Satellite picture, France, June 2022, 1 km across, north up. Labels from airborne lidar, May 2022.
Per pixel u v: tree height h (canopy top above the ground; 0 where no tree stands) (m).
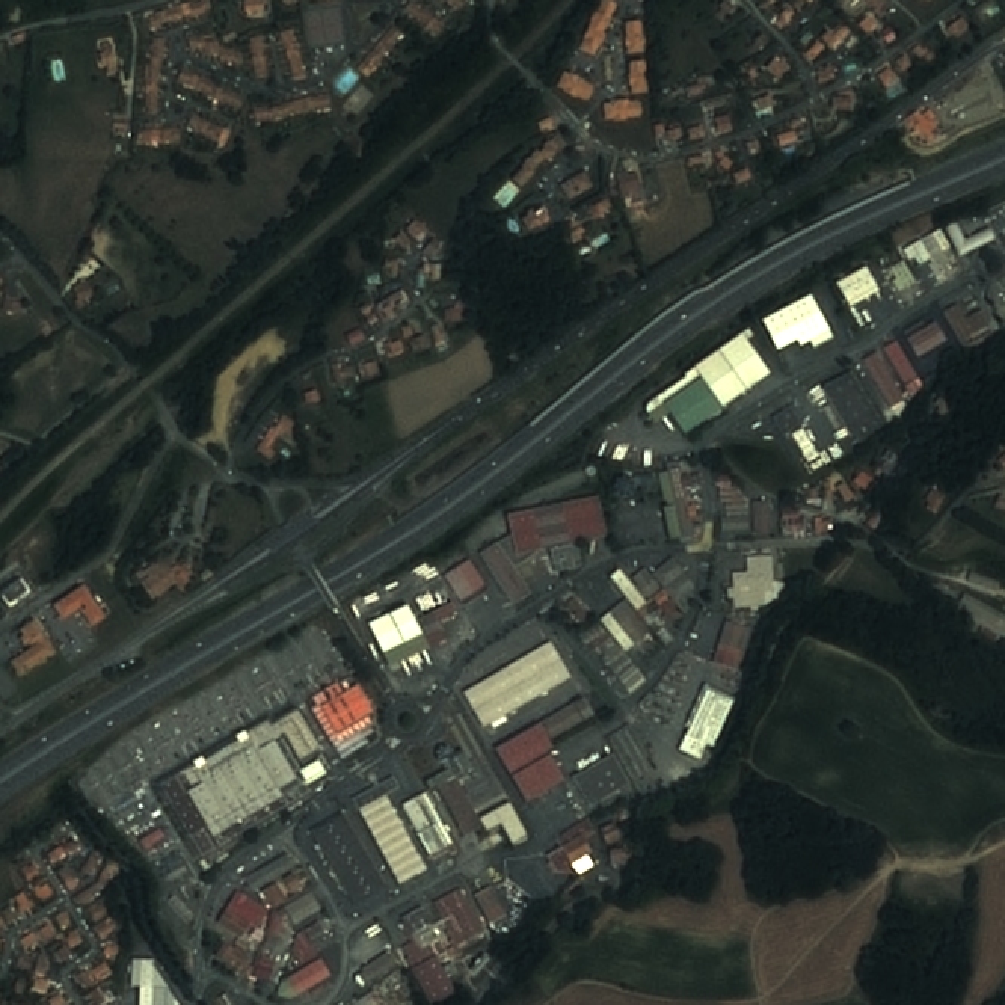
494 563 0
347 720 0
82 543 9
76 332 0
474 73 0
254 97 6
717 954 0
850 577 0
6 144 17
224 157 8
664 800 20
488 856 0
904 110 0
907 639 10
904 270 0
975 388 20
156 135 0
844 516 0
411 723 12
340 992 0
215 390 0
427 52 7
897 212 0
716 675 0
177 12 0
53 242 0
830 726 0
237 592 0
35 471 0
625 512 0
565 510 0
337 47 0
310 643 0
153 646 0
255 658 0
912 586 17
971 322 0
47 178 0
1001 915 0
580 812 0
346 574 0
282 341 0
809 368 0
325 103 0
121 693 0
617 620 0
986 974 0
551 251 16
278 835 0
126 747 0
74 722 0
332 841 0
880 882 0
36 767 0
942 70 7
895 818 0
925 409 16
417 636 0
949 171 0
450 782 0
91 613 0
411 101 14
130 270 0
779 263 0
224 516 0
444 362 0
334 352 0
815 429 0
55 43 0
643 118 0
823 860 25
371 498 0
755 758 0
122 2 0
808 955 0
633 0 0
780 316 0
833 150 8
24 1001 7
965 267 0
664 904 0
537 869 0
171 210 0
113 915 13
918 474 15
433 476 0
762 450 0
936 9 0
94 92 0
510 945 13
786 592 13
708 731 0
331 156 0
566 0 0
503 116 10
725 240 0
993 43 0
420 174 16
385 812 0
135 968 0
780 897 19
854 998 0
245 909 0
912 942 25
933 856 0
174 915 0
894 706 0
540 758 0
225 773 0
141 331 0
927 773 0
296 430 7
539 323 14
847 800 0
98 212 6
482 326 11
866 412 0
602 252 8
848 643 8
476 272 14
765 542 0
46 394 0
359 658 12
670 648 0
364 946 0
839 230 0
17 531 0
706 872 17
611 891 14
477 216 13
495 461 0
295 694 0
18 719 0
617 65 0
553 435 0
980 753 0
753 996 0
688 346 0
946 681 10
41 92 0
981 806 0
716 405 0
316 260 7
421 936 0
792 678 0
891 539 17
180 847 0
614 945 0
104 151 0
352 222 0
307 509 0
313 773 0
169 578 0
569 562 0
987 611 0
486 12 12
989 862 0
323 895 0
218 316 0
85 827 15
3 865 0
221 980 0
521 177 0
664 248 0
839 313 9
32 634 0
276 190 0
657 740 0
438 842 0
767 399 0
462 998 18
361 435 0
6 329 0
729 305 0
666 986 0
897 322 0
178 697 0
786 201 0
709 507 0
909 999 27
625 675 0
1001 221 0
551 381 5
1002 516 0
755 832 22
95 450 0
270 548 0
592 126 0
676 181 0
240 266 8
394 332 6
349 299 11
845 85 0
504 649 0
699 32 0
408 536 0
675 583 0
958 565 0
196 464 0
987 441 10
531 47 0
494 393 0
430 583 0
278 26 8
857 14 0
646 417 7
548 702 0
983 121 0
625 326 0
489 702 0
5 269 0
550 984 0
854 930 0
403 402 0
